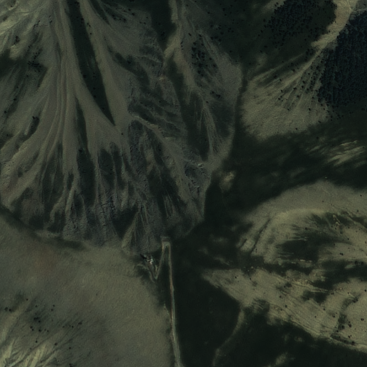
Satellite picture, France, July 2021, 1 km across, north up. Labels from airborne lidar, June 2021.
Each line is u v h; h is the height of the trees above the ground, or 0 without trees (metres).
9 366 0
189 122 0
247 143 0
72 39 0
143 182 0
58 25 0
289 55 0
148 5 0
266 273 0
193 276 0
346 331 0
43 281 0
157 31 0
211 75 0
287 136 0
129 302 0
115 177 0
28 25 0
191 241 0
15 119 0
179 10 0
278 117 0
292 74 0
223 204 0
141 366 0
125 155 0
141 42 0
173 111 0
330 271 0
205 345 0
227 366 0
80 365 0
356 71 18
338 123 0
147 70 0
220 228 0
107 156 0
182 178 0
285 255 0
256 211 0
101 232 0
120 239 0
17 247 0
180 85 0
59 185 0
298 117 0
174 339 0
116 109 0
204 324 0
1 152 0
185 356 0
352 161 0
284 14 16
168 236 0
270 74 0
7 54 0
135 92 0
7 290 0
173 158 0
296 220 0
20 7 0
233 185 0
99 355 0
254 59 0
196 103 0
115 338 0
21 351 0
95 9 0
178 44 0
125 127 0
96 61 0
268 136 0
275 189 0
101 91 0
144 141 0
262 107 0
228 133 0
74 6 0
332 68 7
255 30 0
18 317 0
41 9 0
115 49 0
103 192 0
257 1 0
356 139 0
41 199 0
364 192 0
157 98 0
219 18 0
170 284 0
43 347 0
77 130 0
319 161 0
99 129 0
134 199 0
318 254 0
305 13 13
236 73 0
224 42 0
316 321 0
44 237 0
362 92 18
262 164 0
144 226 0
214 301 0
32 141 0
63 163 0
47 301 0
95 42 0
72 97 0
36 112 0
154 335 0
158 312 0
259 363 0
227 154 0
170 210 0
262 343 0
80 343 0
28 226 0
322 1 0
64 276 0
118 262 0
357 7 0
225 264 0
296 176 0
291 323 0
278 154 0
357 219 0
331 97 15
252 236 0
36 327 0
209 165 0
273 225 0
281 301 0
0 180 0
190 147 0
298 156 0
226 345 0
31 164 0
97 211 0
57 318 0
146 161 0
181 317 0
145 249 0
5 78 0
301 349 0
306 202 0
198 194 0
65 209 0
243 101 0
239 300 0
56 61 0
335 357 0
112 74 0
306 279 0
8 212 0
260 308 0
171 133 0
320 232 0
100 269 0
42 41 0
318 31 11
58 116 0
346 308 0
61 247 0
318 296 0
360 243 0
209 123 0
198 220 0
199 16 0
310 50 14
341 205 0
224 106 0
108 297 0
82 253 0
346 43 16
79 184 0
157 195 0
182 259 0
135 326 0
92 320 0
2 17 0
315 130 0
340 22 0
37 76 0
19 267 0
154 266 0
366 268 0
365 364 0
